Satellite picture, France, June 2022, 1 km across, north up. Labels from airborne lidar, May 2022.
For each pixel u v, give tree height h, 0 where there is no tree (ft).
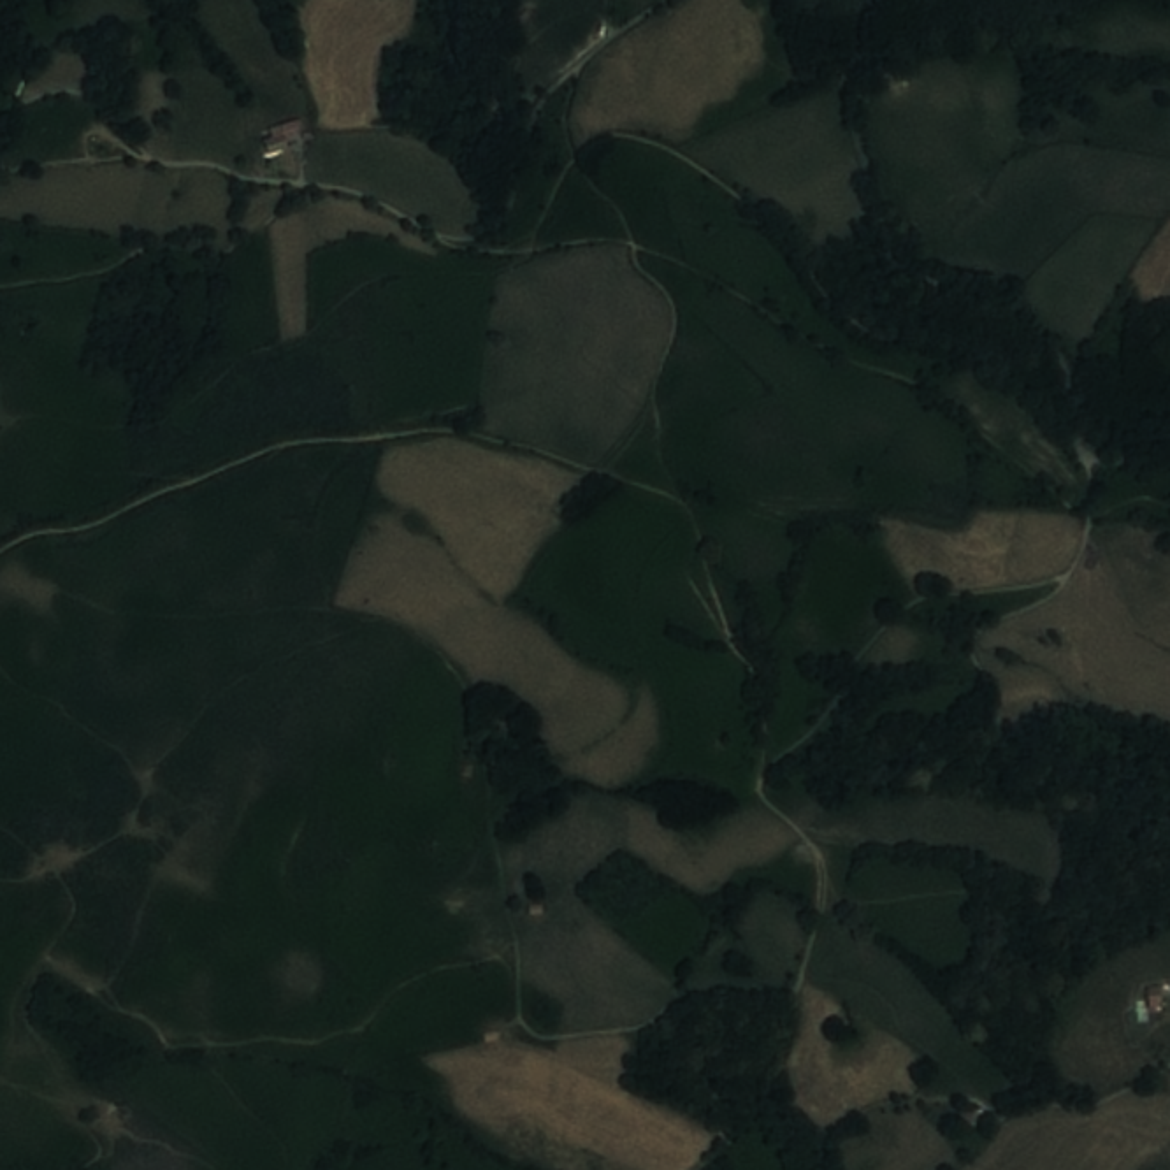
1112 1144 0
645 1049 30
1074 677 0
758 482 0
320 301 0
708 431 0
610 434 0
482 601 0
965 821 0
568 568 0
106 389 0
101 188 0
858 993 0
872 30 80
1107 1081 0
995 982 81
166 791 0
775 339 0
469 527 0
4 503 0
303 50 33
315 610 0
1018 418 0
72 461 0
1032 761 84
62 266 0
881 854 24
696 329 0
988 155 0
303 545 0
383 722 0
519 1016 0
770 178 0
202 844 0
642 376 0
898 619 59
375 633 0
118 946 0
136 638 0
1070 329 0
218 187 0
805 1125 60
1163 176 0
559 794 67
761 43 0
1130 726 33
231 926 0
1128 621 0
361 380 0
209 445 0
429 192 0
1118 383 39
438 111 72
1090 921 33
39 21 0
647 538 0
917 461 0
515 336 0
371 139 0
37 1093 0
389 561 0
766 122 0
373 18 0
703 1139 0
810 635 0
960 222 0
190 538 0
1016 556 0
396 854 0
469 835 0
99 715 0
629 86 0
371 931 0
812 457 0
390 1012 0
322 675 0
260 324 0
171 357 49
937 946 0
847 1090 0
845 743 42
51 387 0
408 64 88
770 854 0
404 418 0
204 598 0
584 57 0
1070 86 31
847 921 46
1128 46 0
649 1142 0
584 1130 0
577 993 0
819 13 80
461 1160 0
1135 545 0
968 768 76
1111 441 26
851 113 39
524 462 0
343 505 0
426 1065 0
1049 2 89
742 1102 48
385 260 0
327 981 0
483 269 0
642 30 0
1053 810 36
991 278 51
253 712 0
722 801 78
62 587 0
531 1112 0
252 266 0
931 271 65
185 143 0
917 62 54
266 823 0
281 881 0
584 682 0
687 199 0
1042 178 0
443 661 0
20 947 0
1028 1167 0
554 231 0
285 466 0
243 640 0
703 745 0
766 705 37
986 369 59
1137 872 65
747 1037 68
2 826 0
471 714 52
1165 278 0
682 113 0
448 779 0
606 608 0
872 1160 0
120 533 0
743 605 27
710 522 0
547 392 0
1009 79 0
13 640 0
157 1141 0
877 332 52
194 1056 29
